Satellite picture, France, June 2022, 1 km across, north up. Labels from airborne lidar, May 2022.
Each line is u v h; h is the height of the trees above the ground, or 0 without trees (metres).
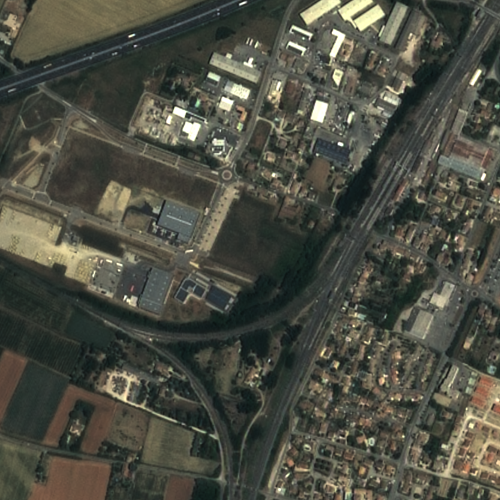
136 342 5
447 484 0
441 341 0
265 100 0
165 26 0
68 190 0
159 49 0
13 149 0
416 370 7
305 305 0
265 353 15
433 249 13
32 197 0
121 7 0
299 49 0
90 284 0
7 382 0
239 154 0
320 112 0
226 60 0
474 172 0
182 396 13
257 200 0
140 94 0
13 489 0
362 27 0
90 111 0
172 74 8
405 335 0
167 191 0
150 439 0
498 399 0
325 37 0
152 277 0
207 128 0
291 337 14
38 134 0
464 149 0
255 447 0
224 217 0
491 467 0
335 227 6
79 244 0
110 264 0
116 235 0
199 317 0
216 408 12
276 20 0
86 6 0
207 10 0
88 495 0
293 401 0
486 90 7
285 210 0
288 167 0
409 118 0
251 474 0
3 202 0
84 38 0
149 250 0
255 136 0
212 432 9
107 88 0
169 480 0
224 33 7
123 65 0
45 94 0
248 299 7
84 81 0
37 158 0
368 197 10
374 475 0
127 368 0
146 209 0
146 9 0
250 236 0
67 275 0
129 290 0
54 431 0
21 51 0
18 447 0
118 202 0
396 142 0
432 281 0
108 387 0
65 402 0
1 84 0
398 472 0
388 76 0
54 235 0
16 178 0
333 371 11
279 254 0
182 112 0
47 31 0
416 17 0
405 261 13
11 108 0
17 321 0
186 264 0
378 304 7
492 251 0
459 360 0
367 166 16
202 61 0
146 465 0
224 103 0
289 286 12
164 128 0
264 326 0
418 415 0
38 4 0
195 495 9
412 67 0
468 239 0
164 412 8
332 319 0
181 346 13
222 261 0
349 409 0
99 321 0
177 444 0
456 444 0
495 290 0
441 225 8
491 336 9
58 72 0
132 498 0
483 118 6
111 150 0
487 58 15
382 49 0
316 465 8
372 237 0
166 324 13
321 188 0
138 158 0
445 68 6
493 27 0
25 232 0
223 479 0
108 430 0
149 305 0
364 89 0
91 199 0
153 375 8
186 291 0
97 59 0
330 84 0
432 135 0
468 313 11
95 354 18
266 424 0
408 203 11
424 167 0
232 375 0
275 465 0
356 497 0
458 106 0
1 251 0
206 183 0
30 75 0
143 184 0
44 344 0
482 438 0
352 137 0
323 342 0
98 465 0
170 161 0
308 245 7
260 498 0
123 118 0
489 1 0
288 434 0
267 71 0
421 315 0
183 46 0
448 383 0
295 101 0
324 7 0
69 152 0
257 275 0
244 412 19
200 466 0
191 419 15
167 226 0
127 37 0
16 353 0
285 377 0
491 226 0
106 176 0
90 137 0
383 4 0
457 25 0
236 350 0
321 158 0
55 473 0
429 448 18
